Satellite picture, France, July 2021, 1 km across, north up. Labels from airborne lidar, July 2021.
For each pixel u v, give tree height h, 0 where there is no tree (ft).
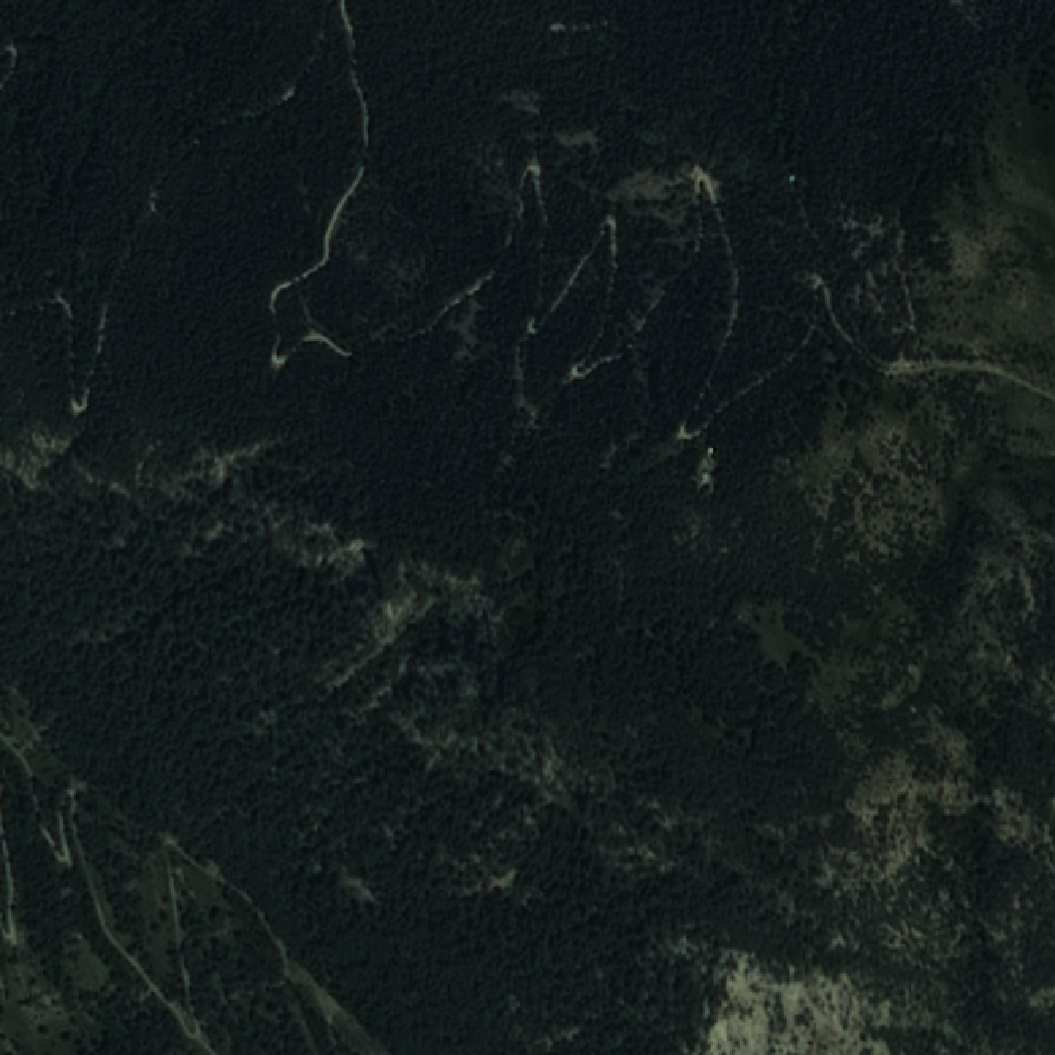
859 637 0
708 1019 22
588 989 57
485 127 25
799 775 31
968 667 20
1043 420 0
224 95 37
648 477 25
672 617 39
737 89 38
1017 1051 28
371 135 31
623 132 28
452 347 26
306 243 40
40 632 42
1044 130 0
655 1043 42
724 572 27
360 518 36
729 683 42
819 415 33
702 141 31
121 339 30
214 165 34
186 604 49
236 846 44
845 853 25
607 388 22
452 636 42
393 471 35
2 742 0
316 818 27
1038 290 0
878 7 21
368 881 39
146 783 40
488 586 24
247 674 54
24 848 19
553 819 51
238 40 39
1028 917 24
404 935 61
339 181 28
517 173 26
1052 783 31
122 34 20
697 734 35
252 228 24
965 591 40
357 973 47
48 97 41
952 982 31
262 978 34
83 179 31
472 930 52
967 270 0
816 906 46
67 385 42
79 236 27
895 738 20
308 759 28
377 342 32
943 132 21
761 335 21
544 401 20
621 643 43
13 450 20
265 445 21
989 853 48
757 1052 0
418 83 29
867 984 19
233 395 30
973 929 26
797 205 25
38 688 36
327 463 18
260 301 31
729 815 39
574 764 22
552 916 48
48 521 32
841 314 21
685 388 30
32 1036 0
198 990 32
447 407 23
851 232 26
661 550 26
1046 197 0
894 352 25
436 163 32
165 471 24
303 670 24
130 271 28
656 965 40
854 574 22
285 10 32
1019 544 32
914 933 20
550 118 31
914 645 23
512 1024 42
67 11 36
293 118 40
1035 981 22
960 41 33
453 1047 54
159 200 21
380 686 27
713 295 31
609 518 28
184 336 30
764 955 25
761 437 19
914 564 25
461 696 39
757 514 20
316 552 41
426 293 29
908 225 26
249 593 21
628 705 45
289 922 43
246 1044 34
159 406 29
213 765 49
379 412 36
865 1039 26
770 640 0
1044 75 28
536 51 26
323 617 40
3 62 39
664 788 32
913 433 0
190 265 42
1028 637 39
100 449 39
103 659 39
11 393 24
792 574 32
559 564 47
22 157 28
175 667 47
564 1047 39
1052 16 18
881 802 21
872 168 27
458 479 28
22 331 41
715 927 37
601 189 24
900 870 27
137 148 21
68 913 33
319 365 38
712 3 23
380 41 37
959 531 21
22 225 52
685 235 38
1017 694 40
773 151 34
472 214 44
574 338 29
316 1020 37
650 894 48
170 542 44
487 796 46
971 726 18
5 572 45
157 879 0
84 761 45
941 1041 23
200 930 25
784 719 38
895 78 30
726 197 22
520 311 28
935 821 29
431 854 39
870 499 19
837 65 28
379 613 39
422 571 22
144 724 46
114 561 44
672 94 29
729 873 19
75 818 23
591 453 24
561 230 27
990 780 24
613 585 27
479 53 31
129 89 31
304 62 43
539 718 26
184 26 40
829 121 25
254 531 34
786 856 20
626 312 29
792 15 24
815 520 27
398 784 22
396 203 37
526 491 42
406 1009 53
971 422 20
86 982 0
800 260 24
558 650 32
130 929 22
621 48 19
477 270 31
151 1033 36
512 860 26
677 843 23
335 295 31
